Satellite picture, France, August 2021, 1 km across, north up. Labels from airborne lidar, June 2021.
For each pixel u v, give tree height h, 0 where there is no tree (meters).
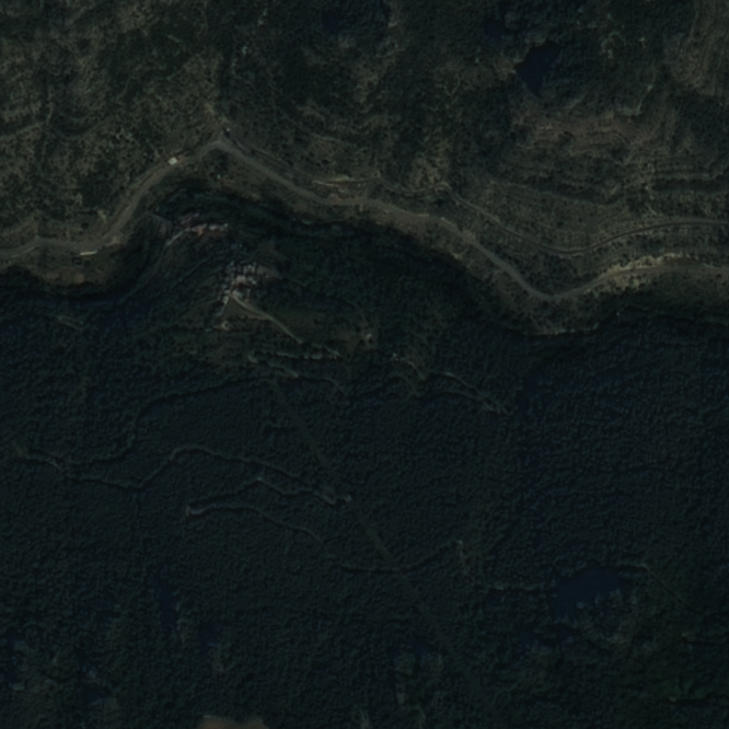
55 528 13
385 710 14
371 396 15
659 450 13
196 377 8
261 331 6
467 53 7
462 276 10
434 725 12
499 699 10
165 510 8
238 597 11
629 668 12
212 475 12
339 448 18
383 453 14
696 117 11
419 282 9
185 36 8
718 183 9
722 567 13
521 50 10
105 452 16
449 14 9
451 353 12
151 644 10
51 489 12
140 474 11
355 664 14
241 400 15
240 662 11
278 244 7
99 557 11
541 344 13
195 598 14
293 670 7
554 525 15
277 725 11
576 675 16
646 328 10
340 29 10
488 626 13
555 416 17
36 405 9
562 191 12
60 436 15
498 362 17
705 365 7
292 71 9
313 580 13
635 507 20
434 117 7
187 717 8
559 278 11
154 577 12
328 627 11
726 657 19
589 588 13
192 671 13
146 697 12
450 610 7
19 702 7
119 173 6
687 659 21
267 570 11
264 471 7
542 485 15
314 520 10
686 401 17
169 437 9
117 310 13
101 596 10
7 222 7
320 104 7
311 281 10
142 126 6
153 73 7
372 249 13
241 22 6
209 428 12
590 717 14
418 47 7
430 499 13
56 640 12
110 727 10
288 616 9
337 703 13
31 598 14
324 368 11
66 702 15
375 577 11
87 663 28
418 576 12
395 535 16
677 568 9
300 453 13
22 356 12
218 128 0
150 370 11
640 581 13
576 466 14
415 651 8
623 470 15
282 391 11
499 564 20
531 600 8
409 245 17
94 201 8
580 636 17
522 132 8
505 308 8
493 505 17
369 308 11
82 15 8
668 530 14
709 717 13
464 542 10
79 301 11
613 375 9
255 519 10
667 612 13
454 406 11
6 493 19
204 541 11
